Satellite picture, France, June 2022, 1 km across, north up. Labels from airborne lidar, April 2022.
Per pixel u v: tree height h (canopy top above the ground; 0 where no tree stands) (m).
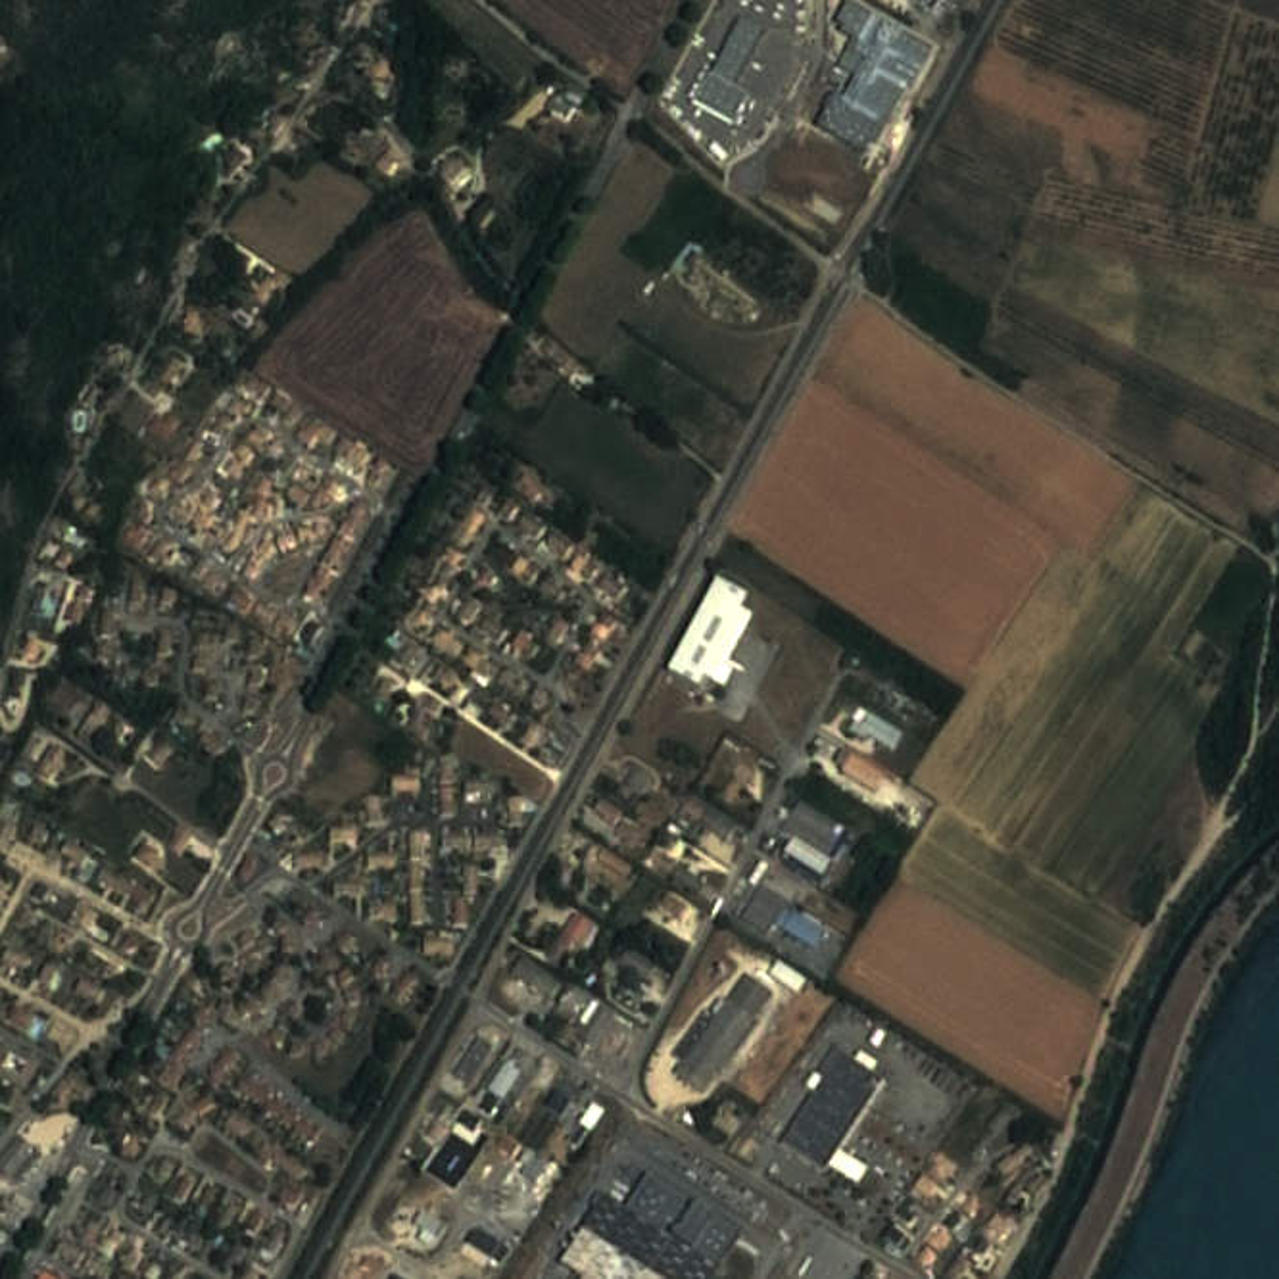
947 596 0
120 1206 0
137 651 13
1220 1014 0
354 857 0
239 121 13
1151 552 0
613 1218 0
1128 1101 0
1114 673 0
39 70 6
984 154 0
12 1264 20
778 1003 0
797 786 12
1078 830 0
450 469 22
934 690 6
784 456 0
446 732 9
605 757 0
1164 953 8
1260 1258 0
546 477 11
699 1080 0
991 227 0
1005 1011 0
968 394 0
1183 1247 0
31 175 12
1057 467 0
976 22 7
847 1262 0
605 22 0
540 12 0
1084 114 0
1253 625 9
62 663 8
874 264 12
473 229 20
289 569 0
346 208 0
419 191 15
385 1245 0
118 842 0
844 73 0
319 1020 15
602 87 13
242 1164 0
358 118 7
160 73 8
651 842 6
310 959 6
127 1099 6
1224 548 0
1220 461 0
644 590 6
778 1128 0
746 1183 0
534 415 6
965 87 0
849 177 0
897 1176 0
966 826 0
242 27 6
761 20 0
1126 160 0
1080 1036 0
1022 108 0
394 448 0
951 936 0
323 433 0
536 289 20
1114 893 0
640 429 12
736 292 0
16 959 0
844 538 0
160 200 8
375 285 0
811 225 0
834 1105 0
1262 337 0
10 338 9
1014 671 0
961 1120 0
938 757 0
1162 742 0
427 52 13
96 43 9
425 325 0
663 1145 0
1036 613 0
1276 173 0
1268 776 18
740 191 0
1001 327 0
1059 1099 0
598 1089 0
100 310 11
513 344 22
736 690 0
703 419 0
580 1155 6
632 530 8
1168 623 0
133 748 5
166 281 11
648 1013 8
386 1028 11
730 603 0
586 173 8
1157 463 0
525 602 6
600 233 0
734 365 0
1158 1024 0
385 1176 0
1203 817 0
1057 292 0
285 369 0
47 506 5
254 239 0
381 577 21
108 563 10
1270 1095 0
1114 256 0
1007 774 0
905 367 0
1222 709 7
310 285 14
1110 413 0
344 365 0
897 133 0
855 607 0
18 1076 0
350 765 0
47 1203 15
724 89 0
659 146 10
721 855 0
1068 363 0
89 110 10
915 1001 0
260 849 0
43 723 7
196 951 9
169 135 6
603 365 0
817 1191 7
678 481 0
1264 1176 0
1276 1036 0
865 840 10
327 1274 0
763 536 0
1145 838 0
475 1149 0
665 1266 0
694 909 0
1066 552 0
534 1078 0
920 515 0
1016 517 0
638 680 0
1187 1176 0
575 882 7
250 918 0
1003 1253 0
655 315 0
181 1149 0
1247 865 0
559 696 0
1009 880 0
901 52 0
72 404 14
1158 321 0
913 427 0
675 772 0
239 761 13
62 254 10
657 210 0
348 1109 14
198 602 10
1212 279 0
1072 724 0
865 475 0
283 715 0
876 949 0
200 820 0
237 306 12
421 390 0
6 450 11
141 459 0
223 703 6
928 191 0
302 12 9
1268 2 0
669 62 0
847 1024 0
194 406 0
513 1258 0
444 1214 0
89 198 12
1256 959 0
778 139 0
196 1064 0
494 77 9
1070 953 0
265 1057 0
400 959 0
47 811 8
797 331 0
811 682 0
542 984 0
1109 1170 0
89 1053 7
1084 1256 0
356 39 7
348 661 22
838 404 0
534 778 0
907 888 0
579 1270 0
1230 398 0
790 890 0
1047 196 0
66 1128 0
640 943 12
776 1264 0
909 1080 0
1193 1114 0
